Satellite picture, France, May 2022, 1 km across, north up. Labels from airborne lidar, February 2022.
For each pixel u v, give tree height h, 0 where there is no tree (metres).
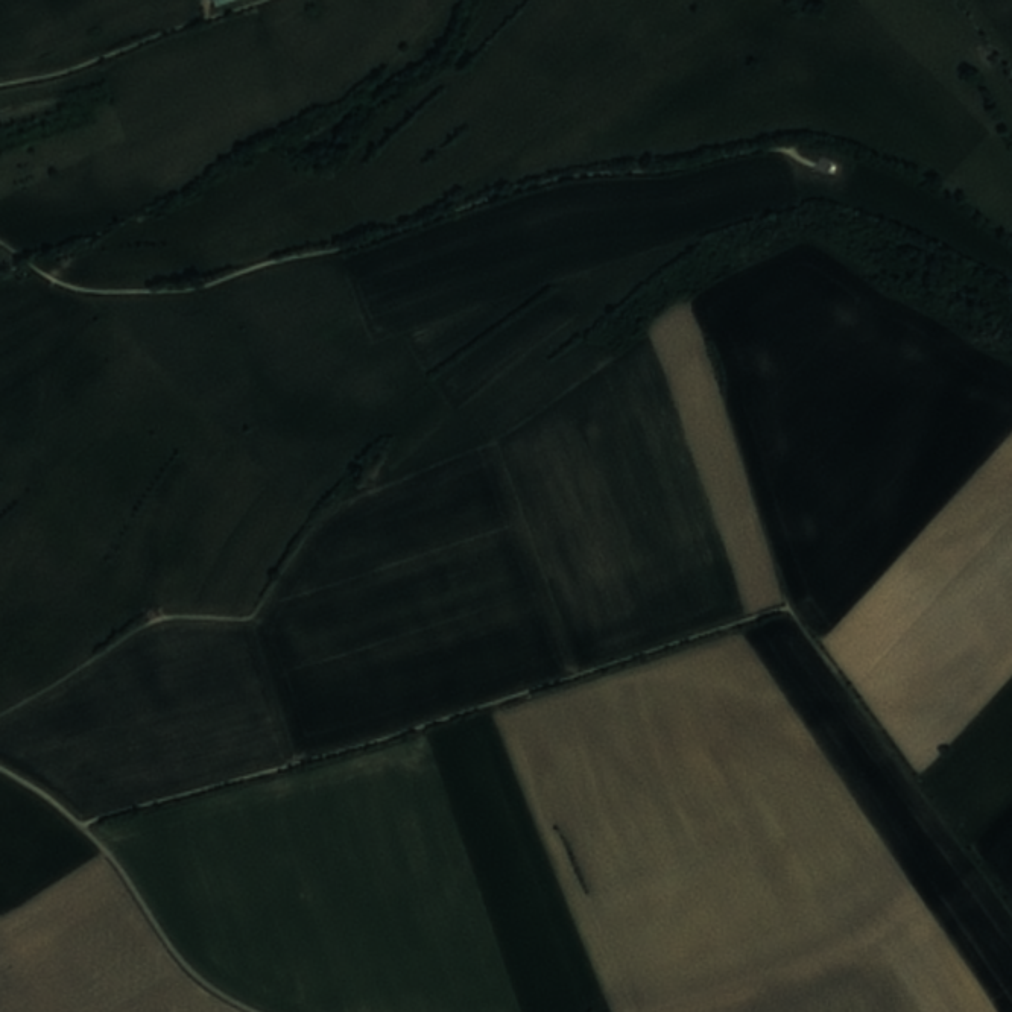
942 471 0
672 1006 0
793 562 0
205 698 0
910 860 0
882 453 0
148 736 0
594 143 0
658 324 0
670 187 0
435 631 0
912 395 0
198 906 0
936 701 0
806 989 0
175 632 0
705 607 0
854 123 0
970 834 0
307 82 0
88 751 0
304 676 0
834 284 0
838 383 0
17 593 0
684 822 0
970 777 0
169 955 0
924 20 0
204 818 0
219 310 0
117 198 0
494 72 0
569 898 0
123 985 0
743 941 0
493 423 0
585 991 0
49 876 0
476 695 0
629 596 0
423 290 0
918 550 0
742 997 0
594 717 0
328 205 0
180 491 0
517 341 0
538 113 0
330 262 0
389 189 0
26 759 0
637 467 0
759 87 0
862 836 0
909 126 0
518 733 0
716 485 0
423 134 0
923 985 0
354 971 0
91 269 0
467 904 0
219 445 0
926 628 0
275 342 0
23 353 0
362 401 0
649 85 0
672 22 0
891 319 0
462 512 0
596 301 0
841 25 0
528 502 0
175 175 0
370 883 0
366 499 0
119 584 0
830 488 0
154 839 0
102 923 0
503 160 0
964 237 0
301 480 0
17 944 0
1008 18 0
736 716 0
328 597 0
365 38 0
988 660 0
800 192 0
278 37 0
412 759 0
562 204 0
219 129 0
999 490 0
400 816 0
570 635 0
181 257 0
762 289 0
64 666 0
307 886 0
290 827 0
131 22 0
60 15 0
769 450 0
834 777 0
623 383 0
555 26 0
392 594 0
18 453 0
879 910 0
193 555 0
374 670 0
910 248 12
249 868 0
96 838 0
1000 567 0
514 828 0
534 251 0
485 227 0
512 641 0
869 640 0
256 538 0
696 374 0
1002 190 0
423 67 10
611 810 0
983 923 0
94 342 0
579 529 0
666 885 0
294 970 0
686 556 0
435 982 0
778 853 0
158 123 0
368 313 0
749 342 0
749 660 0
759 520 0
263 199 0
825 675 0
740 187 0
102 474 0
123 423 0
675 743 0
